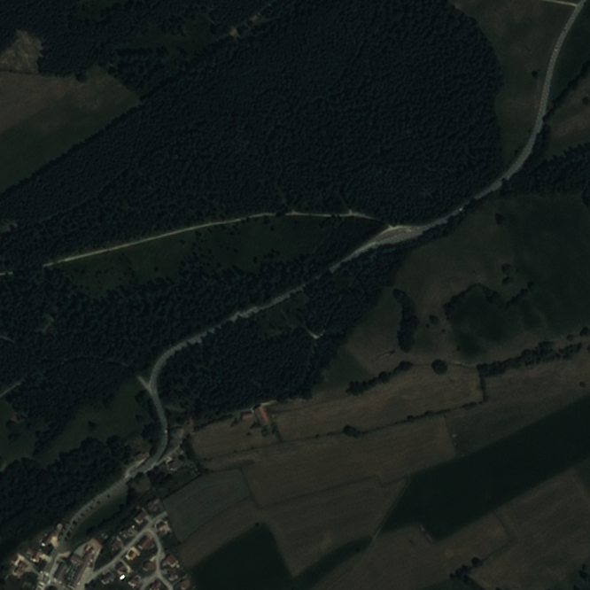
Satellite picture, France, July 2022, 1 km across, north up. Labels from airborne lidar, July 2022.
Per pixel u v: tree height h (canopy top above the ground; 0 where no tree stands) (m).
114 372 19
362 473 0
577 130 0
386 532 0
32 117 0
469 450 0
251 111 21
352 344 0
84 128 0
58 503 30
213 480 0
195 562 0
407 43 23
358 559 0
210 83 22
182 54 28
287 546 0
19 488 19
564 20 0
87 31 26
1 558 10
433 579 0
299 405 0
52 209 23
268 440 0
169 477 11
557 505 0
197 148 29
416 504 0
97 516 0
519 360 11
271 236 0
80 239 18
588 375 0
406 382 0
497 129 24
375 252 15
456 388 0
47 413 17
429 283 0
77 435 0
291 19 20
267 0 28
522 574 0
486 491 0
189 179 24
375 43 21
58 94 0
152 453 9
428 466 0
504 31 0
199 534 0
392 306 0
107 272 8
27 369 26
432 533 0
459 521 0
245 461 0
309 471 0
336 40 25
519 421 0
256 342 20
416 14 34
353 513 0
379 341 0
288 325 0
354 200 23
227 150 27
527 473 0
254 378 28
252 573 0
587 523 0
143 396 19
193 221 14
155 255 0
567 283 0
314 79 21
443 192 22
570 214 0
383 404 0
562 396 0
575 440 0
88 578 0
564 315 0
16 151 0
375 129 28
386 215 21
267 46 20
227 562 0
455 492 0
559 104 15
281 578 0
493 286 0
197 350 29
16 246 17
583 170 30
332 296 24
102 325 18
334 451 0
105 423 0
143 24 25
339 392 0
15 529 17
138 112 20
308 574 0
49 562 0
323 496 0
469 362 0
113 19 25
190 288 18
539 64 0
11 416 0
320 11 17
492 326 0
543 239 0
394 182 27
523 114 0
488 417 0
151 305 18
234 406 22
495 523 0
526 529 0
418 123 23
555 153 0
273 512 0
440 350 0
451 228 15
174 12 23
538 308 0
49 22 24
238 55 13
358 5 22
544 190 25
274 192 20
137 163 24
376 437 0
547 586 0
